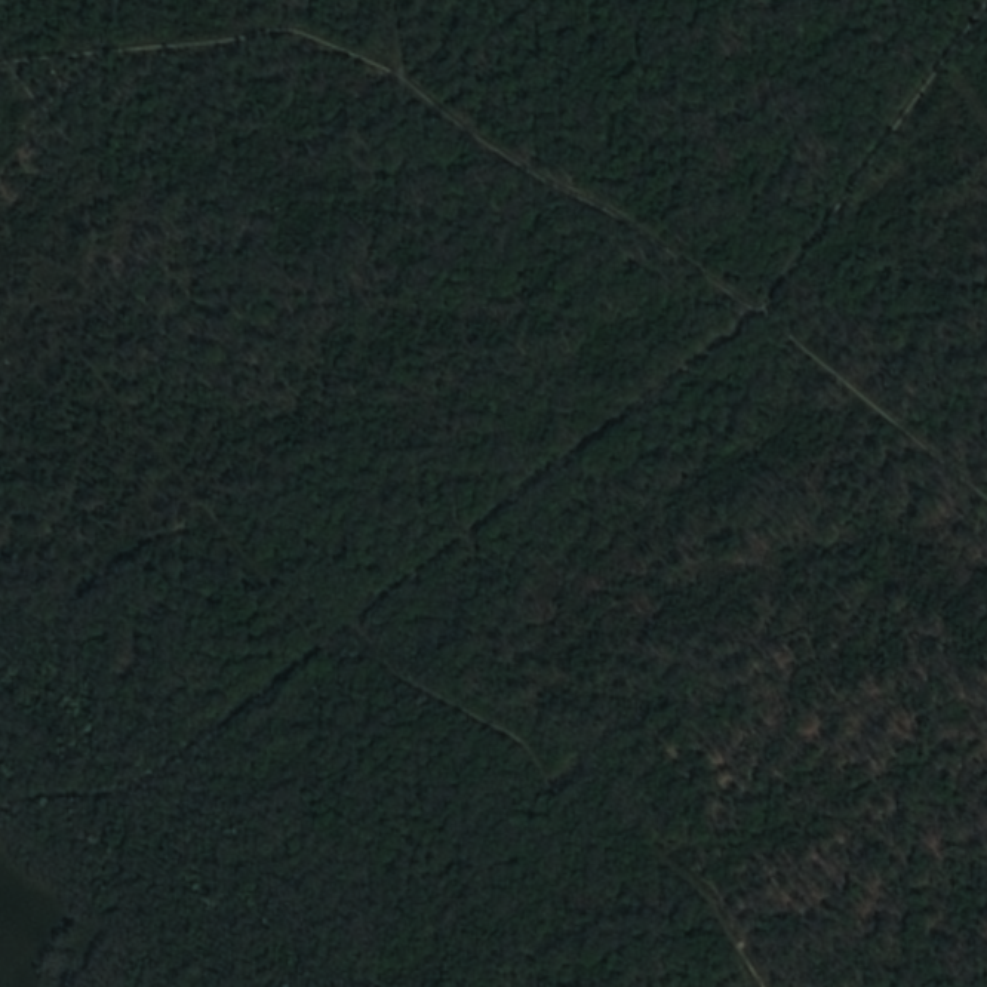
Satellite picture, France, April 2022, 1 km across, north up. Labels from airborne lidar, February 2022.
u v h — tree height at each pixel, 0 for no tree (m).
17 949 0
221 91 25
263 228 30
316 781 15
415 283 28
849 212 18
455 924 20
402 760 23
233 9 21
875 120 22
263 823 23
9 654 21
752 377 25
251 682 19
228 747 19
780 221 24
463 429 25
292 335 26
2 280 13
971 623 24
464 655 24
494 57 24
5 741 25
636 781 25
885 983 27
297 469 27
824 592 12
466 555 21
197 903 19
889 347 26
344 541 8
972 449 10
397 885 25
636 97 24
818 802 22
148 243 24
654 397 22
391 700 20
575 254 25
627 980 22
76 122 26
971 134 13
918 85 21
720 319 23
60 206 10
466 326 25
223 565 13
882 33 24
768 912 23
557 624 10
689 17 24
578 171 27
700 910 23
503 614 26
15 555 9
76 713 12
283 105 22
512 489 25
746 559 25
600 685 26
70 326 0
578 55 24
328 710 22
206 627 25
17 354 0
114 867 17
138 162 8
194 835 19
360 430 21
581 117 28
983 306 18
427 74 21
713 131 25
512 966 20
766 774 0
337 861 21
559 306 28
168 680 25
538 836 24
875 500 26
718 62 26
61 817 22
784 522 31
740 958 23
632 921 25
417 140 28
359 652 20
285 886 21
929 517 30
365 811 25
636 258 26
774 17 17
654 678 26
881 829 27
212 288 22
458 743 25
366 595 19
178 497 23
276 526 23
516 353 27
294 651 21
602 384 25
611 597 12
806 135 28
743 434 27
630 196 25
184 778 20
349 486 27
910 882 25
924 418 24
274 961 13
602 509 23
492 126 23
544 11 26
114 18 22
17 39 22
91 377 15
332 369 6
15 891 0
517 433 19
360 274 22
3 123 25
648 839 23
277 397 27
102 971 20
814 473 8
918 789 27
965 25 0
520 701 24
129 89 26
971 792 11
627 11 27
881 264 25
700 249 21
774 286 22
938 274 20
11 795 21
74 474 10
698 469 27
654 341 26
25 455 14
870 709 29
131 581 29
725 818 24
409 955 23
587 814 24
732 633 16
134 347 21
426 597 23
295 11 22
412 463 25
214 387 26
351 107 17
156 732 25
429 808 26
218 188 25
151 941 22
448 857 24
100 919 21
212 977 18
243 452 24
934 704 28
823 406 25
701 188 24
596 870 22
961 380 29
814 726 0
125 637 30
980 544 29
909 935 22
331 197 27
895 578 7
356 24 24
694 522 6
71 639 23
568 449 24
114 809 22
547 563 24
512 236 28
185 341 25
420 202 29
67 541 10
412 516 23
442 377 24
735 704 26
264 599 30
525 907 18
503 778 22
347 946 29
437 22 24
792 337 19
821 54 11
